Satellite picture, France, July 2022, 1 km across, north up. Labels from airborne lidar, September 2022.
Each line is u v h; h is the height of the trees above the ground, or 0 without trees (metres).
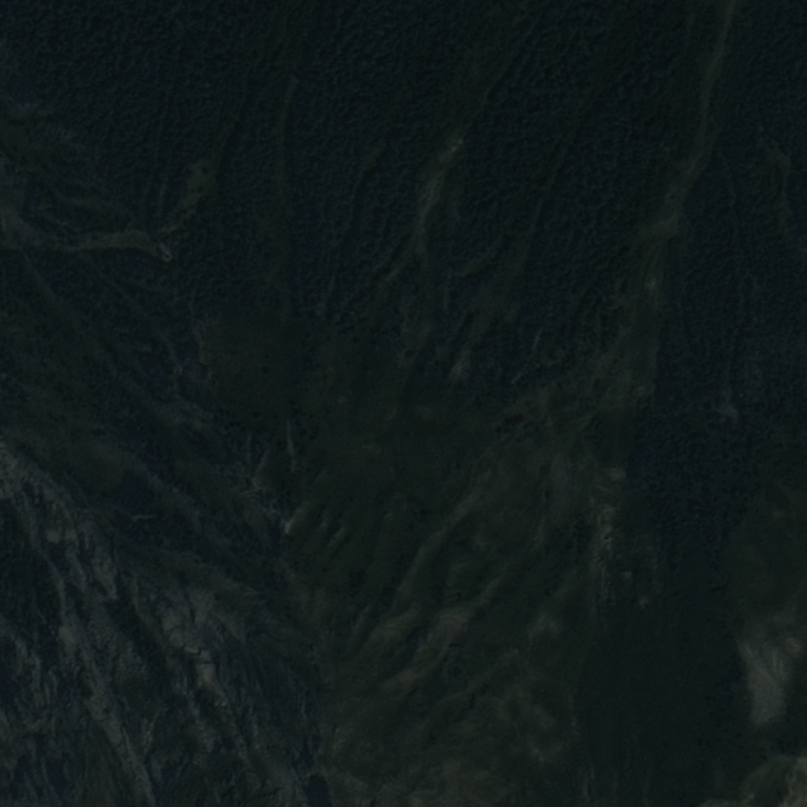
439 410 0
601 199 17
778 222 14
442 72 16
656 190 7
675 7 23
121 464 0
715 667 0
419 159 9
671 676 0
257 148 16
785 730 0
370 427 0
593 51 22
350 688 0
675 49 20
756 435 7
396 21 20
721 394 7
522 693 0
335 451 0
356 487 0
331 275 14
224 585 0
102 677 0
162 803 0
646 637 0
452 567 0
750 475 12
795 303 11
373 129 19
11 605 8
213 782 0
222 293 8
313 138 12
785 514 0
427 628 0
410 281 12
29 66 10
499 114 13
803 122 11
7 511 9
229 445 17
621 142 14
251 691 0
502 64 8
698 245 9
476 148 11
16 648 6
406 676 0
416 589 0
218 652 0
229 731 0
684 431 8
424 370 7
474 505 0
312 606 0
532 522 0
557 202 11
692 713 0
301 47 6
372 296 12
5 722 0
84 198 7
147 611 0
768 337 8
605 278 14
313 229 13
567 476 0
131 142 13
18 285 7
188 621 0
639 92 30
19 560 8
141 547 7
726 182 11
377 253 10
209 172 11
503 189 13
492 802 0
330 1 17
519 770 0
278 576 6
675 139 8
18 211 0
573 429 0
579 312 9
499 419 0
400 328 9
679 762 0
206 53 10
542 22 10
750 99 14
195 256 12
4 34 8
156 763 0
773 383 9
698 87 6
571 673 0
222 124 10
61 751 0
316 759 0
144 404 0
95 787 0
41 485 0
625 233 11
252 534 8
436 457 0
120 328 8
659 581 0
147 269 9
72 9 16
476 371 6
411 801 0
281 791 0
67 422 9
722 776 0
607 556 0
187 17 16
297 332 0
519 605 0
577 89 20
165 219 8
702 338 8
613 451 0
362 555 0
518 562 0
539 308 12
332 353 0
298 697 0
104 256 0
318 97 17
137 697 0
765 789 0
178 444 0
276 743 0
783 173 10
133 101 14
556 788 0
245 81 10
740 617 0
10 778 0
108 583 0
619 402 0
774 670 0
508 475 0
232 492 0
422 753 0
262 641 0
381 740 0
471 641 0
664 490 8
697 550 0
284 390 0
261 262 13
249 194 12
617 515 0
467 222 10
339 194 9
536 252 7
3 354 5
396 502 0
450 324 9
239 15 15
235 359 0
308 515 0
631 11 7
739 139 15
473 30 17
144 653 10
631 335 0
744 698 0
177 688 0
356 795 0
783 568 0
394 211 10
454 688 0
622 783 0
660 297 0
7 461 0
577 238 9
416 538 0
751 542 0
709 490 13
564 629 0
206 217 15
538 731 0
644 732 0
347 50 25
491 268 14
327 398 0
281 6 7
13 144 0
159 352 10
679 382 16
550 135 19
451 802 0
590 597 0
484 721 0
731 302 12
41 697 0
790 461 0
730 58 6
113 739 0
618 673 0
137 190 8
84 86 9
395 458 0
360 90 20
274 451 0
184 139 18
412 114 15
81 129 11
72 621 0
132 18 18
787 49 16
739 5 0
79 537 0
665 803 0
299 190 9
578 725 0
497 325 9
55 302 0
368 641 0
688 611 0
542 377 10
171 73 17
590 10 22
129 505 7
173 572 0
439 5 21
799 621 0
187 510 0
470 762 0
